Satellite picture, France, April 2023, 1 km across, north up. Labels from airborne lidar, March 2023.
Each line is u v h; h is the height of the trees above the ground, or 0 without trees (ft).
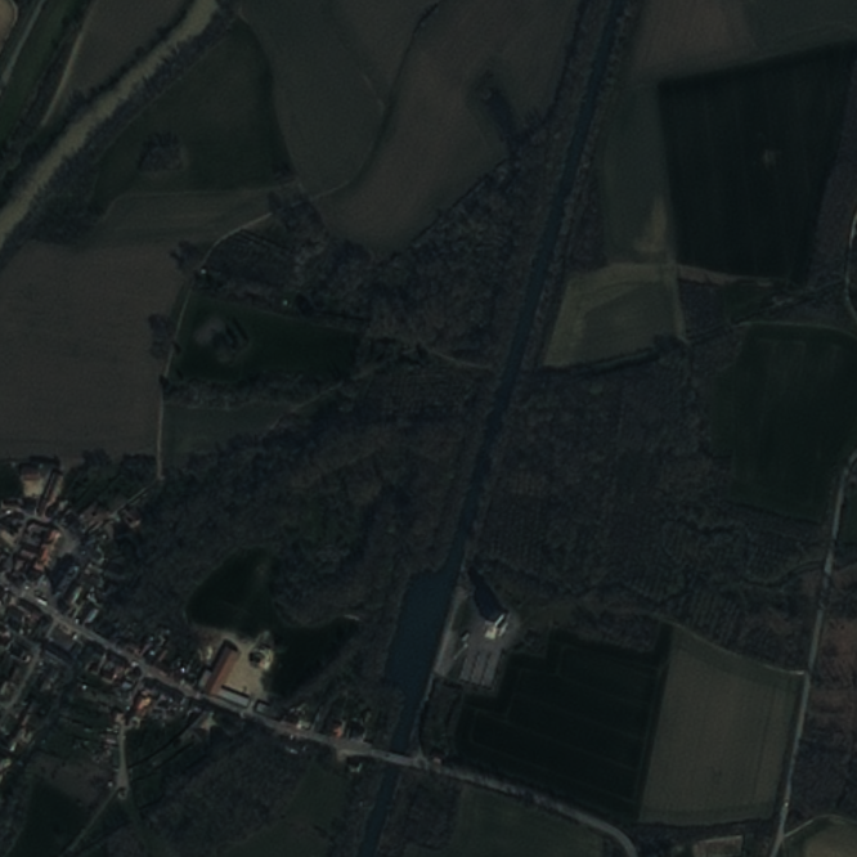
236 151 0
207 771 109
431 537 78
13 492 0
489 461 0
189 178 0
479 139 0
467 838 0
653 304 0
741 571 39
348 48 0
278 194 0
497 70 0
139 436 0
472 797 0
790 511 0
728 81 0
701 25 0
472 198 18
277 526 88
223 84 0
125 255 0
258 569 0
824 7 0
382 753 0
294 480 89
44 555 0
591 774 0
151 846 0
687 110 0
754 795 0
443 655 0
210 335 0
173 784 62
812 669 0
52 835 0
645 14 0
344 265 72
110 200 0
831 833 0
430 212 0
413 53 0
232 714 19
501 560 26
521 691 0
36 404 0
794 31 0
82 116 68
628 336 0
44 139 0
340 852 46
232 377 0
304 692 43
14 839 23
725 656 0
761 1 0
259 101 0
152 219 0
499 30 0
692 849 0
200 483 25
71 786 0
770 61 0
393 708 41
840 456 0
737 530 20
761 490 0
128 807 0
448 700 0
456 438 77
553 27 0
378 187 0
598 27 53
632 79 0
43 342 0
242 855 0
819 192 0
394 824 20
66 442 0
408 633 0
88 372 0
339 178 0
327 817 0
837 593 99
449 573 0
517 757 0
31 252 0
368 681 90
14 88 0
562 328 0
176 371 0
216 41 35
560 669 0
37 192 0
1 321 0
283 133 0
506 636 0
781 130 0
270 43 0
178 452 0
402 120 0
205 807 66
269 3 0
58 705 46
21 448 0
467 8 0
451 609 0
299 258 24
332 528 52
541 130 82
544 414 83
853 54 0
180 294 0
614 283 0
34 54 0
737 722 0
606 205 0
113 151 0
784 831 0
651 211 0
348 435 118
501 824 0
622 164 0
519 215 51
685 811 0
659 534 20
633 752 0
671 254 0
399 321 115
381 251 0
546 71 0
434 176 0
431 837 25
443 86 0
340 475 95
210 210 0
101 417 0
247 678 0
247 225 0
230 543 71
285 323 0
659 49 0
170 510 76
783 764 0
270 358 0
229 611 0
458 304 105
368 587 89
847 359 0
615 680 0
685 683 0
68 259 0
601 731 0
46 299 0
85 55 0
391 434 96
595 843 0
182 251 0
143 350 0
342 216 0
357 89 0
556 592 30
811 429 0
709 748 0
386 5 0
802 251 0
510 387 0
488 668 0
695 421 98
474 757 0
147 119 0
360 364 43
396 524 82
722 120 0
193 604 0
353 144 0
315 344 0
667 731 0
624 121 0
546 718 0
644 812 0
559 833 0
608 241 0
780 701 0
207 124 0
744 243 0
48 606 0
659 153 0
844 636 0
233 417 0
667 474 84
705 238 0
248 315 0
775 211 0
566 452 86
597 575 73
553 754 0
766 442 0
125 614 99
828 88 0
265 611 0
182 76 25
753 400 0
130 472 24
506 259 26
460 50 0
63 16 0
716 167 0
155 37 0
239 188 0
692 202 0
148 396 0
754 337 0
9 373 0
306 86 0
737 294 0
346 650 52
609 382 75
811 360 0
